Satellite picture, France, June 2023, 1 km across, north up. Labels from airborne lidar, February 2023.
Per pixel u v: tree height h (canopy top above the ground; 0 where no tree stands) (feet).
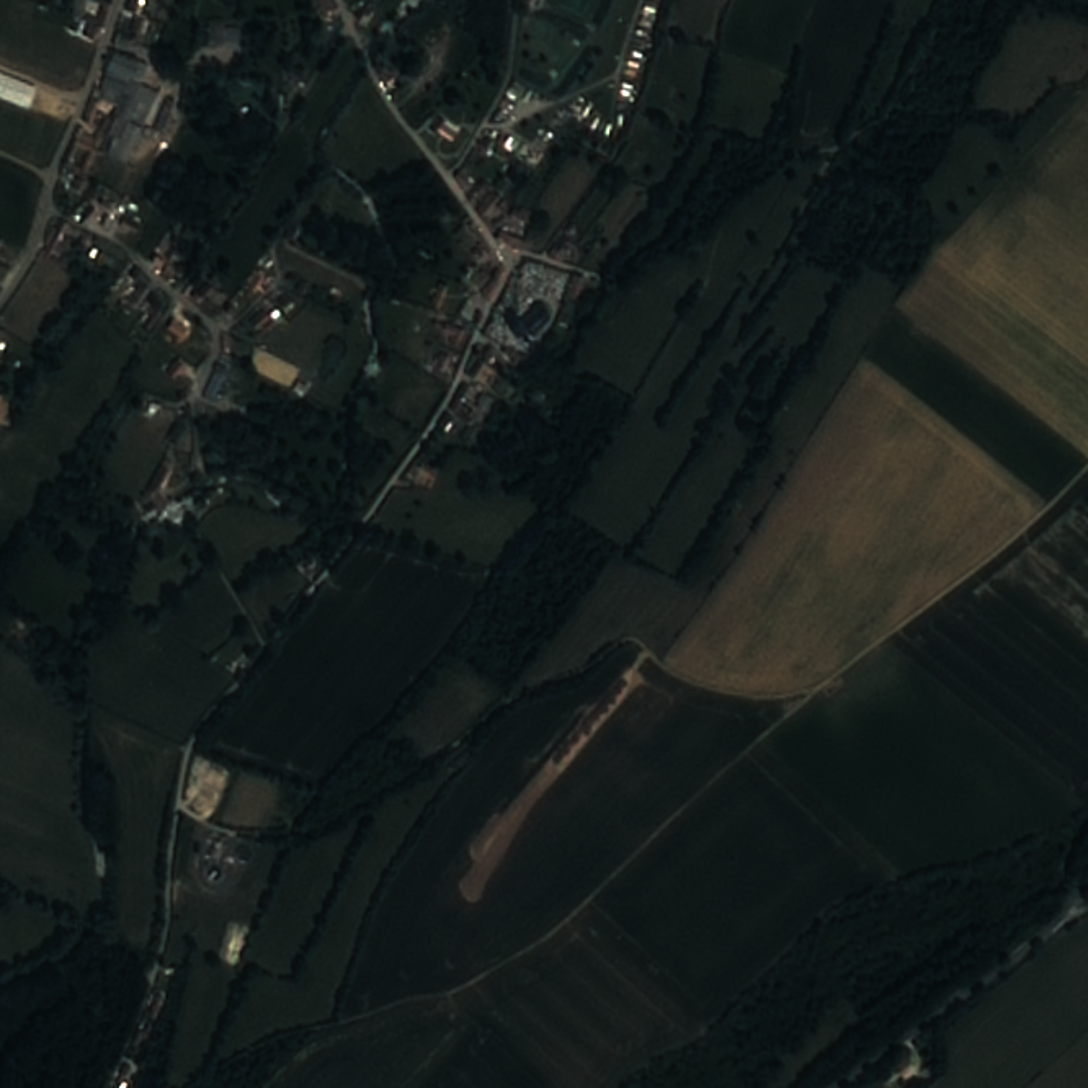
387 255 96
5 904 73
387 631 0
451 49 0
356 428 89
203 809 0
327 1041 0
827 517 0
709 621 0
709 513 0
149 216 0
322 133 0
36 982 102
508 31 0
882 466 0
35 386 74
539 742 0
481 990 0
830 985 27
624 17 0
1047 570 0
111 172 0
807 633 0
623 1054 0
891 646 0
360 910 0
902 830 0
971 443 0
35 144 0
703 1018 0
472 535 0
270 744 0
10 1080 118
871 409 0
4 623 0
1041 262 0
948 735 0
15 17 0
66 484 45
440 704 0
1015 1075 0
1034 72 0
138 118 0
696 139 30
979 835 0
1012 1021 0
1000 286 0
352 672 0
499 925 0
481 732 36
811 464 0
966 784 0
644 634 0
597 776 0
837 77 0
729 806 0
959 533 0
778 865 0
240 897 0
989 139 0
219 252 0
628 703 0
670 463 0
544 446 102
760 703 0
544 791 0
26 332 0
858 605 0
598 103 0
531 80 0
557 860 0
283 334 0
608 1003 0
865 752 0
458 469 0
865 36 0
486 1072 0
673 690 0
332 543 44
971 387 0
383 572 0
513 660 38
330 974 0
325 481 0
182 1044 0
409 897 0
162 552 71
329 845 0
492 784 0
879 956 25
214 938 0
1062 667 0
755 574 0
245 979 40
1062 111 0
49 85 0
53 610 0
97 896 0
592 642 0
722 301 0
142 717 0
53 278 0
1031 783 0
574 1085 0
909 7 0
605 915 0
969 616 0
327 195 0
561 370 86
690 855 0
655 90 0
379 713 0
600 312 27
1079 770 0
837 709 0
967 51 26
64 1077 110
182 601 80
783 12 0
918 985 63
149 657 0
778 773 0
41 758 0
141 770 0
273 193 0
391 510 0
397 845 0
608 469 0
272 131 52
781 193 0
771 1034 22
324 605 0
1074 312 0
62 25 0
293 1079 0
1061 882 47
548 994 0
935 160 29
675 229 52
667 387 0
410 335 0
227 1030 39
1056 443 0
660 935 0
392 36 0
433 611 0
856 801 0
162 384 0
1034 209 0
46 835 0
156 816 0
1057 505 0
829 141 0
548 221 38
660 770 0
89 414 0
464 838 0
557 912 0
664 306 0
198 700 0
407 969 0
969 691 0
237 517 0
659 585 0
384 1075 0
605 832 0
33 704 0
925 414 0
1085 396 0
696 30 0
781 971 25
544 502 53
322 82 0
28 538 51
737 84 0
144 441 0
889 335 0
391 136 0
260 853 0
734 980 0
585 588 25
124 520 0
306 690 0
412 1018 0
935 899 21
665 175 0
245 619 30
